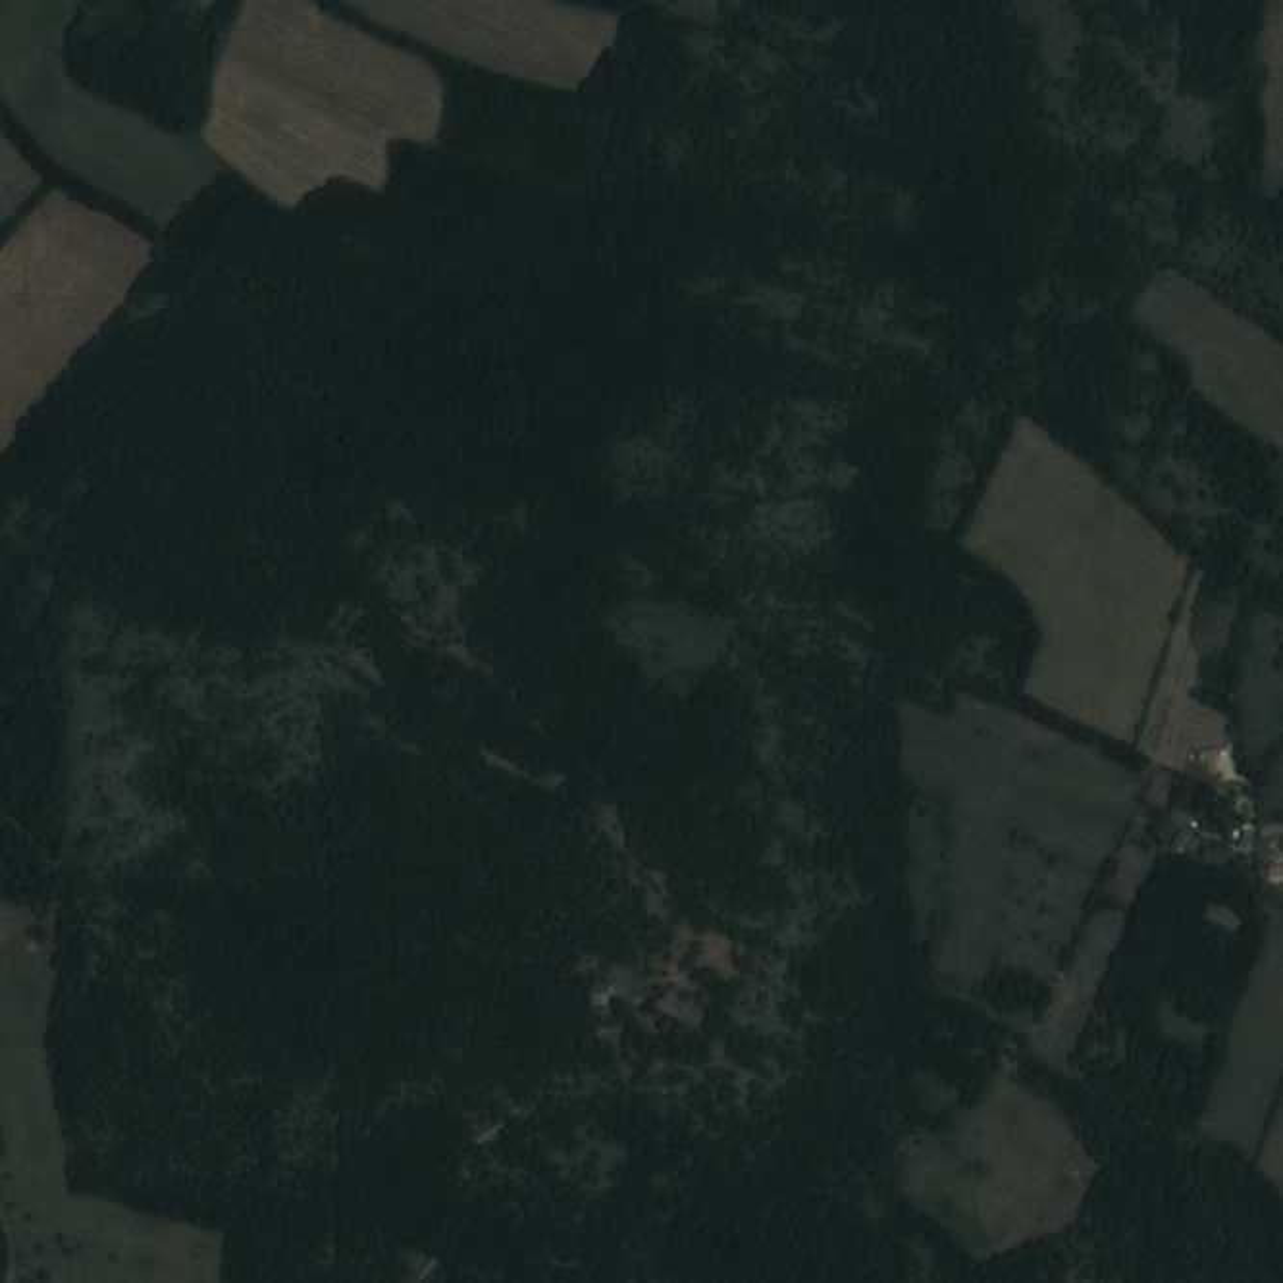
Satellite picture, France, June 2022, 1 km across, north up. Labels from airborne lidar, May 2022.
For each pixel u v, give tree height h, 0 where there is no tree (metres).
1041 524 0
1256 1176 12
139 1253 0
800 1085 9
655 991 8
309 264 10
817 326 7
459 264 11
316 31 0
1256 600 9
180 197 0
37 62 0
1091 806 0
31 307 0
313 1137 6
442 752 12
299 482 10
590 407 11
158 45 16
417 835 12
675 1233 9
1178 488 7
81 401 18
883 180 6
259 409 10
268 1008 10
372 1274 8
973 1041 11
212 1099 9
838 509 7
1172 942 14
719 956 0
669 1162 11
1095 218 7
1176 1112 13
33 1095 0
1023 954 0
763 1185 10
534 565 16
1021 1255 9
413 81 0
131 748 0
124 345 12
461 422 11
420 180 14
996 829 0
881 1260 10
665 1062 7
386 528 12
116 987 6
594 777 9
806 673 8
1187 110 0
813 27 7
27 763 11
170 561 11
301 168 0
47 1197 0
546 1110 9
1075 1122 8
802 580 7
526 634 13
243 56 0
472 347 12
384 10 0
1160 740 0
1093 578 0
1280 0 0
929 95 10
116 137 0
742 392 10
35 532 12
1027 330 8
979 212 9
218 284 12
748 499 9
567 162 7
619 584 7
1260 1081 0
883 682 10
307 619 7
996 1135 0
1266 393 0
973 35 10
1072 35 0
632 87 9
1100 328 7
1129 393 7
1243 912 14
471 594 8
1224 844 6
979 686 10
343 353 12
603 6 7
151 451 11
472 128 7
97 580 9
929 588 11
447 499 12
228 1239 6
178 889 9
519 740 12
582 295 16
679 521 10
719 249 6
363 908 12
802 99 6
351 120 0
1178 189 9
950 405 8
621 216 12
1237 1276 9
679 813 12
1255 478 10
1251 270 8
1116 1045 11
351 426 15
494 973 12
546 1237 10
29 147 8
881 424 9
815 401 7
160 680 8
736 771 9
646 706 13
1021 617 9
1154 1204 12
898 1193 6
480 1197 8
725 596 12
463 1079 11
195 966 8
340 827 13
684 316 9
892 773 9
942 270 7
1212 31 11
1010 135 10
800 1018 6
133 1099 8
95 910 10
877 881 11
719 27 8
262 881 8
